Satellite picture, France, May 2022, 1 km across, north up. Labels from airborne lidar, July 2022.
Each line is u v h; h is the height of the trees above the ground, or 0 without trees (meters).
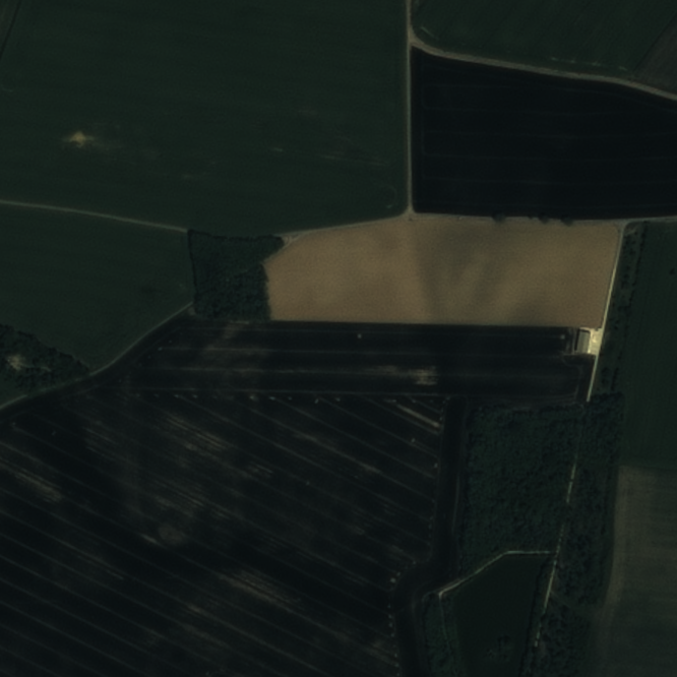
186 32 0
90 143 0
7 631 0
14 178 0
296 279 0
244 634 0
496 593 0
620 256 0
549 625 18
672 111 0
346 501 0
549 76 0
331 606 0
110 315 0
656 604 0
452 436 0
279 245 15
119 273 0
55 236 0
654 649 0
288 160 0
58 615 0
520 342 0
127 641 0
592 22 0
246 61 0
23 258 0
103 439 0
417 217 0
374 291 0
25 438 0
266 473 0
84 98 0
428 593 0
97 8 0
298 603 0
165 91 0
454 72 0
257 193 0
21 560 0
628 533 0
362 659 0
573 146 0
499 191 0
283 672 0
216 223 0
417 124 0
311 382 0
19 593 0
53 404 0
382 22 0
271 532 0
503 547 15
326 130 0
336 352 0
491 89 0
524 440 20
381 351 0
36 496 0
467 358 0
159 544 0
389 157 0
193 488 0
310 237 0
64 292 0
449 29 0
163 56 0
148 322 0
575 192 0
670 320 0
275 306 0
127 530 0
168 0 0
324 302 0
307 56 0
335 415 0
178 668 0
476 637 0
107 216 0
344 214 0
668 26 0
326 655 0
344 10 0
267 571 0
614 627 0
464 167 0
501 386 0
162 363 0
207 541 0
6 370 17
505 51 0
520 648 0
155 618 0
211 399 0
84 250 0
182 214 0
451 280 0
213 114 0
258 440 0
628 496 0
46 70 0
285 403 0
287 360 0
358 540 0
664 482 0
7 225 0
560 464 17
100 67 0
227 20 0
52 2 0
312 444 0
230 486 0
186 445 0
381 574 0
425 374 0
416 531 0
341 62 0
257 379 0
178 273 0
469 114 0
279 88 0
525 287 0
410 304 0
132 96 0
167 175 0
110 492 0
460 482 0
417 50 0
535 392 0
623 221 0
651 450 0
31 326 0
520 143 0
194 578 0
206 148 0
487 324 0
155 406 0
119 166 0
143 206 0
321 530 0
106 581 0
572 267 0
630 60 0
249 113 0
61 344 0
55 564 0
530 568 0
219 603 0
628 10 0
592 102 0
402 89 0
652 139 0
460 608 0
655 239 0
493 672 0
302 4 0
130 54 0
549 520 19
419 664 0
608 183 0
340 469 0
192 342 0
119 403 0
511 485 17
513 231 0
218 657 0
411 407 0
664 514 0
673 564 0
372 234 0
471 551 19
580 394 0
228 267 19
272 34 0
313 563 0
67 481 0
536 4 0
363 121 0
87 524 0
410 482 0
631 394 0
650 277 0
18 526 0
